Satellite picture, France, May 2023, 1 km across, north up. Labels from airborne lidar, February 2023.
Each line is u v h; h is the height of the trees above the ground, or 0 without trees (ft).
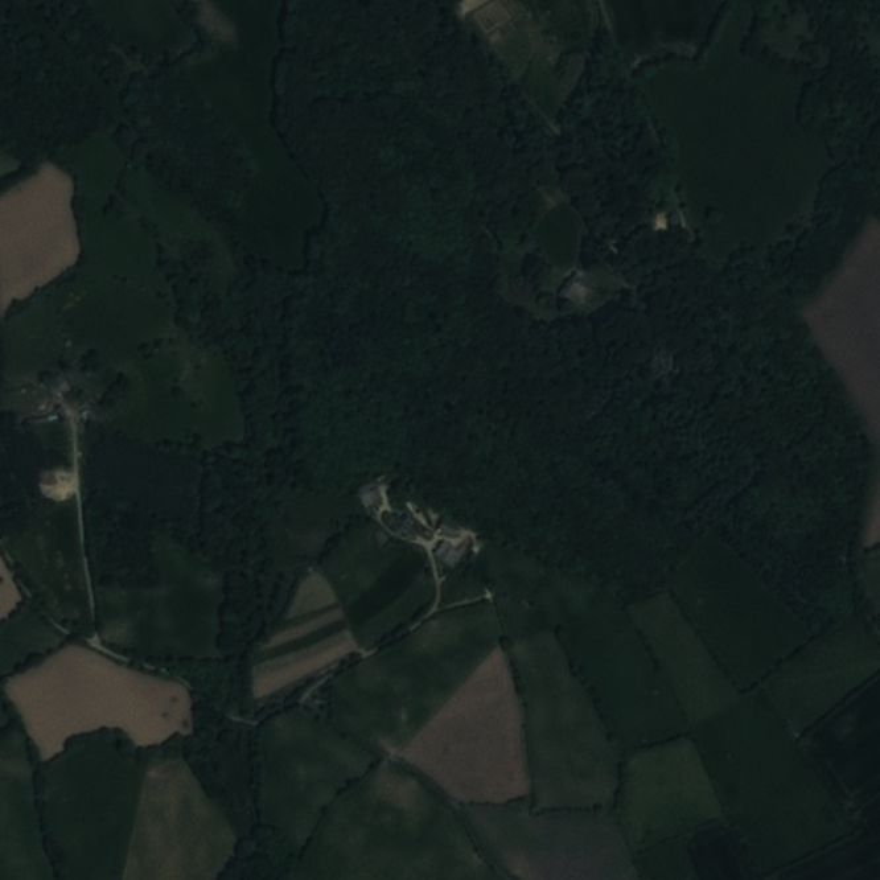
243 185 65
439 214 72
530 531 52
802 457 50
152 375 0
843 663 0
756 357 60
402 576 0
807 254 46
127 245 0
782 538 44
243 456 65
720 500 86
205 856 0
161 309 0
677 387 90
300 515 0
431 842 0
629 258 69
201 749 22
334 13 80
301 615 0
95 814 0
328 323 76
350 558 0
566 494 63
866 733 0
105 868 0
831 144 54
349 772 0
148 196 0
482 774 0
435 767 0
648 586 48
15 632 0
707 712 0
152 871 0
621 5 0
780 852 0
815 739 0
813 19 26
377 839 0
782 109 0
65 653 0
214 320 50
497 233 88
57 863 54
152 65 49
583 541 56
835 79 43
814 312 0
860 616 63
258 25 0
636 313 82
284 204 0
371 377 76
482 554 0
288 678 0
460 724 0
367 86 73
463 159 70
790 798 0
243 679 49
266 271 55
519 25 0
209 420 0
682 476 79
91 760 0
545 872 0
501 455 64
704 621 0
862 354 0
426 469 65
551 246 0
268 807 0
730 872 0
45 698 0
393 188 73
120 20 0
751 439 60
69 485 0
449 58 97
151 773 0
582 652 0
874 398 0
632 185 41
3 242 0
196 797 0
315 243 69
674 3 0
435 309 67
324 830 0
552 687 0
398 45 75
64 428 0
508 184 94
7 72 53
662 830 0
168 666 32
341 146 85
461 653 0
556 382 83
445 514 48
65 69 59
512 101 90
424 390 69
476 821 0
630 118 53
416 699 0
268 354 37
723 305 69
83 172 0
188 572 0
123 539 33
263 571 40
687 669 0
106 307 0
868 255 0
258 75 0
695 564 0
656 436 77
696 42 0
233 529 57
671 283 68
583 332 83
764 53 31
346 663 24
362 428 69
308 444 73
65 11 67
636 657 0
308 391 64
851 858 0
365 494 0
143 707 0
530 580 0
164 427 0
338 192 68
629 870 0
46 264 0
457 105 81
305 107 85
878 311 0
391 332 57
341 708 0
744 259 53
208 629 0
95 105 36
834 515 57
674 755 0
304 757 0
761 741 0
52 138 43
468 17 0
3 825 0
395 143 70
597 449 61
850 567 37
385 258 82
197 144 58
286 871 31
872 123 20
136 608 0
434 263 76
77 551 0
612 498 67
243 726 19
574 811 21
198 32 46
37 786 35
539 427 66
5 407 0
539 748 0
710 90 0
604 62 58
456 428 77
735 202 0
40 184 0
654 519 61
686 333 73
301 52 69
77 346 0
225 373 0
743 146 0
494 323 69
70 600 0
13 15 73
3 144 51
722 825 0
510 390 74
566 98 0
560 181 84
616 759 0
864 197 57
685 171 0
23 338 0
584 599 0
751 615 0
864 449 67
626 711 0
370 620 0
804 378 44
